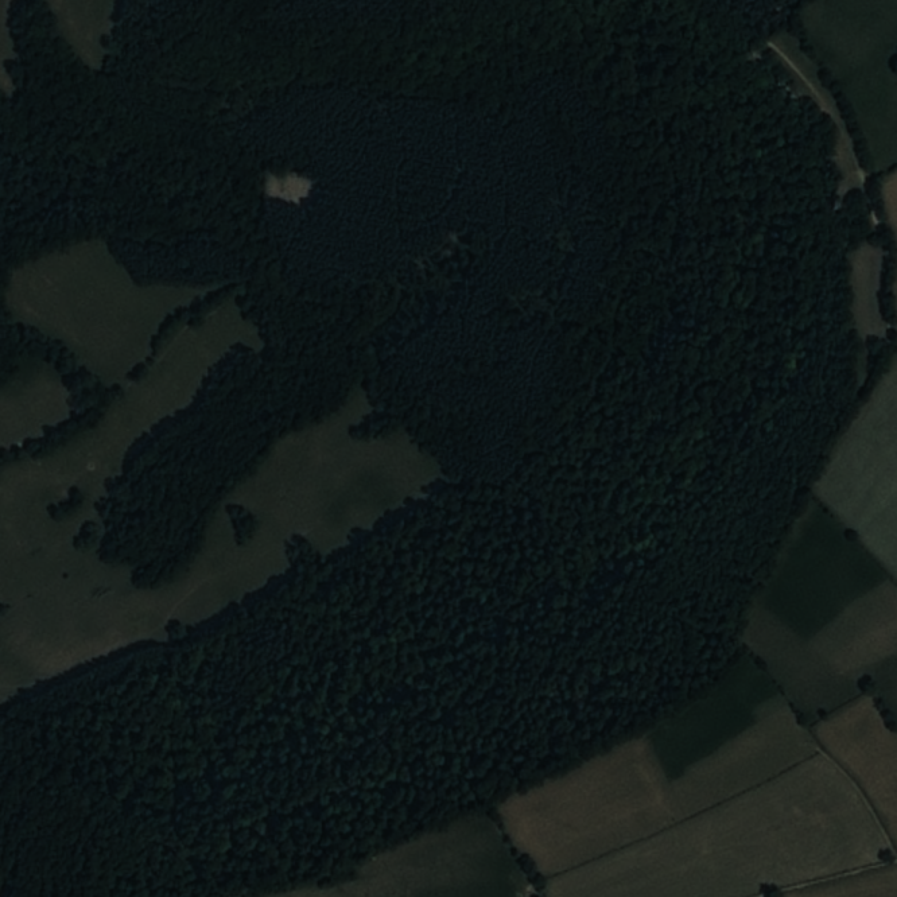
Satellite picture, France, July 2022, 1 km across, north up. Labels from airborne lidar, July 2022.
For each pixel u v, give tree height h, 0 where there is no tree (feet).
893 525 0
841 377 52
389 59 63
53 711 57
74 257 0
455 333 80
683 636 80
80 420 76
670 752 0
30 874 88
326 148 87
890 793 0
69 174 78
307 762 117
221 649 92
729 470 84
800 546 0
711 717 0
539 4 67
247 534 50
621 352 22
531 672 98
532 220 89
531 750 90
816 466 63
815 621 0
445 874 0
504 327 80
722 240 117
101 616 0
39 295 0
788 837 0
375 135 87
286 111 87
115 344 0
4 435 0
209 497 63
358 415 0
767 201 115
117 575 0
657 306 21
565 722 107
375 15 69
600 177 74
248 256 84
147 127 69
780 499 54
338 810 106
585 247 69
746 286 95
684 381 108
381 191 85
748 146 86
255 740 112
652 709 54
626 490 105
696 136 84
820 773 0
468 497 102
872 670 0
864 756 0
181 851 89
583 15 94
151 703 107
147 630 0
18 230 86
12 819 78
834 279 54
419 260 55
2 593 0
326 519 0
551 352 79
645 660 79
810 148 75
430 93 73
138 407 0
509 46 84
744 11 67
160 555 47
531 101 73
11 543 0
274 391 75
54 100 94
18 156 106
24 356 81
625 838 0
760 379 119
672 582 91
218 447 57
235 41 67
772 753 0
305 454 0
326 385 68
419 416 92
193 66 58
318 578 81
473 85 86
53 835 75
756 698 0
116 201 96
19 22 71
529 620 107
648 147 95
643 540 121
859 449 0
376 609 77
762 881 0
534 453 47
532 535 99
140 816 95
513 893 0
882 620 0
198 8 86
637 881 0
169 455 85
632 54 22
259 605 84
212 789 63
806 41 57
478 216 91
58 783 120
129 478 60
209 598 0
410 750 95
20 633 0
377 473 0
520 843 0
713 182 115
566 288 75
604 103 86
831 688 0
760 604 0
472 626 52
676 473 70
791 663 0
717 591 74
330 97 83
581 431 90
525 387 66
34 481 0
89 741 114
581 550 108
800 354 91
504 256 84
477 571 101
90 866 104
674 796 0
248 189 47
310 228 87
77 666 0
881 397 0
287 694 119
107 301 0
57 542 0
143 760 113
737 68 74
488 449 82
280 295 63
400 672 107
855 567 0
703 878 0
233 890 100
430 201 55
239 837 119
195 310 50
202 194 81
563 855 0
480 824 0
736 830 0
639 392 75
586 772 0
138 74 55
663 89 108
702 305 99
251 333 0
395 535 110
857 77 0
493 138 82
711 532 79
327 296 82
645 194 102
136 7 72
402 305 22
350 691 92
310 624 62
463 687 110
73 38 0
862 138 49
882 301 54
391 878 0
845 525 0
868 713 0
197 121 60
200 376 0
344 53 84
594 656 87
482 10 56
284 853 83
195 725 115
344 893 0
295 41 68
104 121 76
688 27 47
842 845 0
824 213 82
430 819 97
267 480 0
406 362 77
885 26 0
